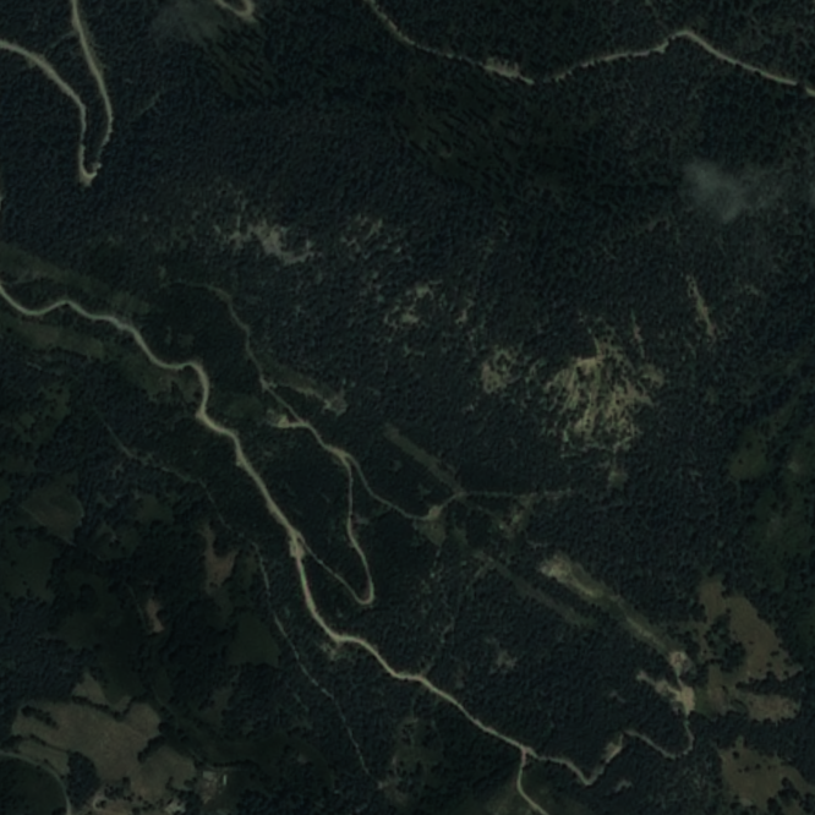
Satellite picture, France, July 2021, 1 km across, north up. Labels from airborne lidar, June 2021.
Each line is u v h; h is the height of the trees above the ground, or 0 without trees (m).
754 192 15
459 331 7
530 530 9
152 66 9
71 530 0
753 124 23
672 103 6
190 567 18
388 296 8
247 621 0
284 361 7
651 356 7
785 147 23
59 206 12
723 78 6
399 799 0
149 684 12
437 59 26
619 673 10
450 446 7
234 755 0
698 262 8
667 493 16
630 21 8
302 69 25
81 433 13
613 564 10
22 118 15
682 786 7
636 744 8
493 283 9
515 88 29
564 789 9
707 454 10
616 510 9
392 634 10
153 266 8
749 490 16
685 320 10
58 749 0
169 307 9
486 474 7
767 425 7
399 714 8
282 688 15
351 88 13
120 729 0
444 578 6
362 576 7
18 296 7
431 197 8
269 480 7
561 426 7
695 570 9
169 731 13
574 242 20
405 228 7
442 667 9
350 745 13
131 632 0
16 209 8
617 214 7
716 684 0
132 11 7
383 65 26
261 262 6
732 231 7
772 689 9
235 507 6
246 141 14
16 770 9
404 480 7
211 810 0
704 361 9
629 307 11
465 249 9
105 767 0
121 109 7
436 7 18
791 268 8
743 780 0
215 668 13
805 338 12
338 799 13
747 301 10
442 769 11
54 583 11
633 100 8
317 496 7
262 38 33
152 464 7
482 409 8
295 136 10
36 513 0
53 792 0
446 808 9
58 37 10
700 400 7
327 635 6
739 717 7
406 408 6
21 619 13
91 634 0
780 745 9
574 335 10
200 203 8
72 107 12
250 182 9
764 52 8
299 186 12
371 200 9
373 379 6
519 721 16
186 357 7
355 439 6
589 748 10
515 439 7
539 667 11
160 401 7
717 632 14
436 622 8
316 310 6
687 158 7
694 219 9
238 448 0
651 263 11
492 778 8
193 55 22
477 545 7
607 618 10
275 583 8
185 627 13
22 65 10
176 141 13
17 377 12
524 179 23
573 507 8
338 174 10
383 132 13
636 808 9
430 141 0
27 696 10
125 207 10
